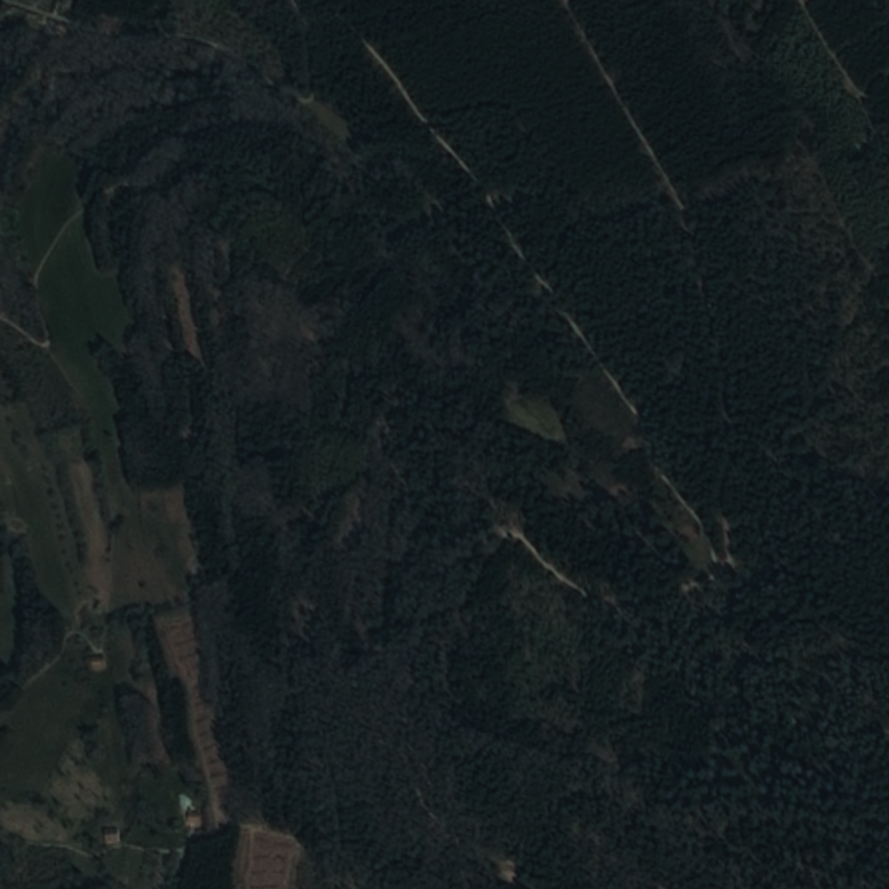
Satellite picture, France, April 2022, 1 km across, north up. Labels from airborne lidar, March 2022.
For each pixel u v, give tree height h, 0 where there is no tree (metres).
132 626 22
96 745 8
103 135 26
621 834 10
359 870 26
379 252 21
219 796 0
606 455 6
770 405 23
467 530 10
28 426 0
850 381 10
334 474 12
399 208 20
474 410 11
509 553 8
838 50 14
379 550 27
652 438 26
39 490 0
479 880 32
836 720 23
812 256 19
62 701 0
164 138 21
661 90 22
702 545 0
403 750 25
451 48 20
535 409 0
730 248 21
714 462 31
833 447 7
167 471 20
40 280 0
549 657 7
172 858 9
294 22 23
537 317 32
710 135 17
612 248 29
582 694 7
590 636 11
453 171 23
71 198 0
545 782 22
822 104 12
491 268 28
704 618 8
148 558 0
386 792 25
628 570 20
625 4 20
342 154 13
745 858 26
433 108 18
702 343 31
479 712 12
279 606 28
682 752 14
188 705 19
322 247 14
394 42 26
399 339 14
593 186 14
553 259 30
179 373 30
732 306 22
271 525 26
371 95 18
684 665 27
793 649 24
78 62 29
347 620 26
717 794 29
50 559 0
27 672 24
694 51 18
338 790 22
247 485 29
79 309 0
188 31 12
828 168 8
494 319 35
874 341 9
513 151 23
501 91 19
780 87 12
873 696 28
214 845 17
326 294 12
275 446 23
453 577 28
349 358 20
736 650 8
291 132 26
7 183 23
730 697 23
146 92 37
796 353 21
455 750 27
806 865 14
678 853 24
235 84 29
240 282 19
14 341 0
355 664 20
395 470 27
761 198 24
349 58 20
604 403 0
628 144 17
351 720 26
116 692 0
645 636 9
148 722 28
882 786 33
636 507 12
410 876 30
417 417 31
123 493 0
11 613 0
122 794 0
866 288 10
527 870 22
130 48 30
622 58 24
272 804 25
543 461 16
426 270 29
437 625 28
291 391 25
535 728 11
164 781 21
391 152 15
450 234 29
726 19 15
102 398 0
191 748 24
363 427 16
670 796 22
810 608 32
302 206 19
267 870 0
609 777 20
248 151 25
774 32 11
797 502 26
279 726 26
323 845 25
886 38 14
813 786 15
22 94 28
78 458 0
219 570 13
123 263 13
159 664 30
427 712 26
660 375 26
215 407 24
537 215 28
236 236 8
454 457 27
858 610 29
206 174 22
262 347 28
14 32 16
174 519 0
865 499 29
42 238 0
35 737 0
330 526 23
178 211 34
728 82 17
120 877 0
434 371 23
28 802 0
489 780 23
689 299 22
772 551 21
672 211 28
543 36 19
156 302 24
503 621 10
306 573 13
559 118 16
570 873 26
